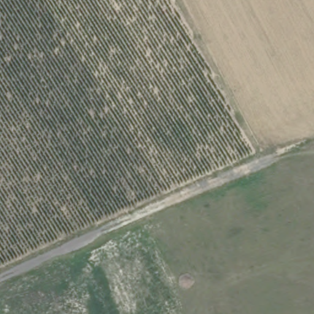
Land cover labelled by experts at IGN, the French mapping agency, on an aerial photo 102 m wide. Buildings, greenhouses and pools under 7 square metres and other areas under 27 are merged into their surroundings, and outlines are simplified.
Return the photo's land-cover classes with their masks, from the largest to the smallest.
<instances>
[{"label":"vineyard","instance_id":"1","mask_svg":"<svg viewBox=\"0 0 314 314\"><path fill-rule=\"evenodd\" d=\"M231 105L224 103L223 94L217 90L216 83L211 77L210 66L197 53L195 45L180 23L179 13L175 11V15H172L170 0H0V264L26 253L28 249L38 247L39 244L55 239L61 232L65 233V238L59 240L61 245L98 229L99 226L94 224V221H98L102 216L135 205L136 202L170 188V184L184 182L194 175L206 172L211 168V161L215 162L216 166H222L227 158L232 161L234 155H229L227 146L237 150L239 155H244L249 150L251 155L255 153V147L245 135L242 124L235 118V114L231 117L229 114Z\"/></svg>","mask_w":314,"mask_h":314},{"label":"agricultural land","instance_id":"2","mask_svg":"<svg viewBox=\"0 0 314 314\"><path fill-rule=\"evenodd\" d=\"M224 81L232 88L245 124L254 126L255 130L271 128L272 135L280 137L282 141L308 139L314 135V0H182ZM296 150L294 147L281 153L278 161L258 172L243 175L232 182L189 197L178 204L164 207L124 226L117 231L102 234L86 247L44 261L36 269L22 272L0 283V314H314V153L297 156L293 152Z\"/></svg>","mask_w":314,"mask_h":314},{"label":"herbaceous vegetation","instance_id":"3","mask_svg":"<svg viewBox=\"0 0 314 314\"><path fill-rule=\"evenodd\" d=\"M172 15H175V11L179 13L180 23L195 45L197 53L210 66L211 77L216 83L217 90L223 94L224 103L231 105L229 114L231 117L235 114V118L242 124L245 135L255 147V153L251 155L249 150L244 155H239L237 150L227 146L229 155H234L232 161L227 158L222 166H216L215 162L211 161V168L206 172L194 175L184 182L170 184V188L136 202L135 205L102 216L98 221H94V224L99 226L98 229L102 234L117 231L124 226L117 221L118 218L134 215L146 206L180 193L195 184L220 177L228 170L243 166L253 159L271 155L277 148L289 145H296L294 147L296 150L293 152L297 156L314 153V135L308 139L282 141L280 137L272 135L271 128L255 130L254 126L245 124L232 88L224 81L182 0H170ZM65 238V233L61 232L55 239L39 244L38 247L28 249L26 253L0 264V274L61 245L59 240Z\"/></svg>","mask_w":314,"mask_h":314},{"label":"pervious surface","instance_id":"4","mask_svg":"<svg viewBox=\"0 0 314 314\"><path fill-rule=\"evenodd\" d=\"M294 147L296 145H289L277 148L271 155L253 159L243 166L228 170L220 177L195 184L180 193L146 206L134 215L118 218L117 221L124 226L164 207L178 204L189 197L232 182L243 175L258 172L278 161L281 153Z\"/></svg>","mask_w":314,"mask_h":314},{"label":"impervious surface","instance_id":"5","mask_svg":"<svg viewBox=\"0 0 314 314\"><path fill-rule=\"evenodd\" d=\"M102 234L98 229L61 245L0 274V283L22 272L36 269L44 261L86 247Z\"/></svg>","mask_w":314,"mask_h":314}]
</instances>
